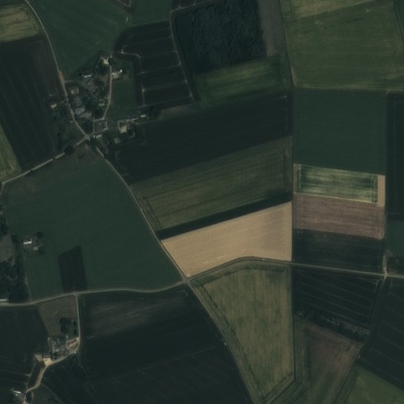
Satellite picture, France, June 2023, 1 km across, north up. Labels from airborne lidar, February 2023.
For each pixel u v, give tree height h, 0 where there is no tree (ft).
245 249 0
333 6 0
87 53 0
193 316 0
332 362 0
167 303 0
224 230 0
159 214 0
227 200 0
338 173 0
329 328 34
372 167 0
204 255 0
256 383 0
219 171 0
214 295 0
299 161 0
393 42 0
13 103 0
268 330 0
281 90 0
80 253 0
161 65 0
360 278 0
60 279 0
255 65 0
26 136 0
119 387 0
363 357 0
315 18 0
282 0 0
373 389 0
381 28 0
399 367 0
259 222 0
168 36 0
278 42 0
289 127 0
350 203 0
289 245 0
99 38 0
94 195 0
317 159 0
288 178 0
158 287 0
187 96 0
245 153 0
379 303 0
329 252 0
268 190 0
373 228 0
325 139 0
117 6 0
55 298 0
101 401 0
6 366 0
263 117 0
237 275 0
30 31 0
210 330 0
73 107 33
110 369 0
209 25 74
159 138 0
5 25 0
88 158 0
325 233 0
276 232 0
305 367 0
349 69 0
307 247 0
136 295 0
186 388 0
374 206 0
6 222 0
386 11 0
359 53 0
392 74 0
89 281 0
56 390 0
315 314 31
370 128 0
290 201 0
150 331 0
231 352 0
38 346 0
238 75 0
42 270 0
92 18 0
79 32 0
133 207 0
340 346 0
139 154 0
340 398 0
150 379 0
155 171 0
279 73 0
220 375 0
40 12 0
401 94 0
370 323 0
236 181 0
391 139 0
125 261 0
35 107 0
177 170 0
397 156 0
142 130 0
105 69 41
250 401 0
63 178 0
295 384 0
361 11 0
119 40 0
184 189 0
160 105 0
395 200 0
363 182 0
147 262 0
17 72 0
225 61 66
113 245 0
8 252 0
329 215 0
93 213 0
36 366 0
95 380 0
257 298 0
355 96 0
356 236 0
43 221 0
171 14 0
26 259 0
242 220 0
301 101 0
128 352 0
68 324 25
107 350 0
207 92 0
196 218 0
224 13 64
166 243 0
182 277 0
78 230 0
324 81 0
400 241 0
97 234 0
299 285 0
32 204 0
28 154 0
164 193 0
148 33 0
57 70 0
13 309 0
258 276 0
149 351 0
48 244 0
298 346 0
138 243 0
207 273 0
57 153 0
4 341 0
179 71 0
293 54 0
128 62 0
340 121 0
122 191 0
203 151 0
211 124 0
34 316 0
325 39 0
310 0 0
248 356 0
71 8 0
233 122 0
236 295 0
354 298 0
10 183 0
